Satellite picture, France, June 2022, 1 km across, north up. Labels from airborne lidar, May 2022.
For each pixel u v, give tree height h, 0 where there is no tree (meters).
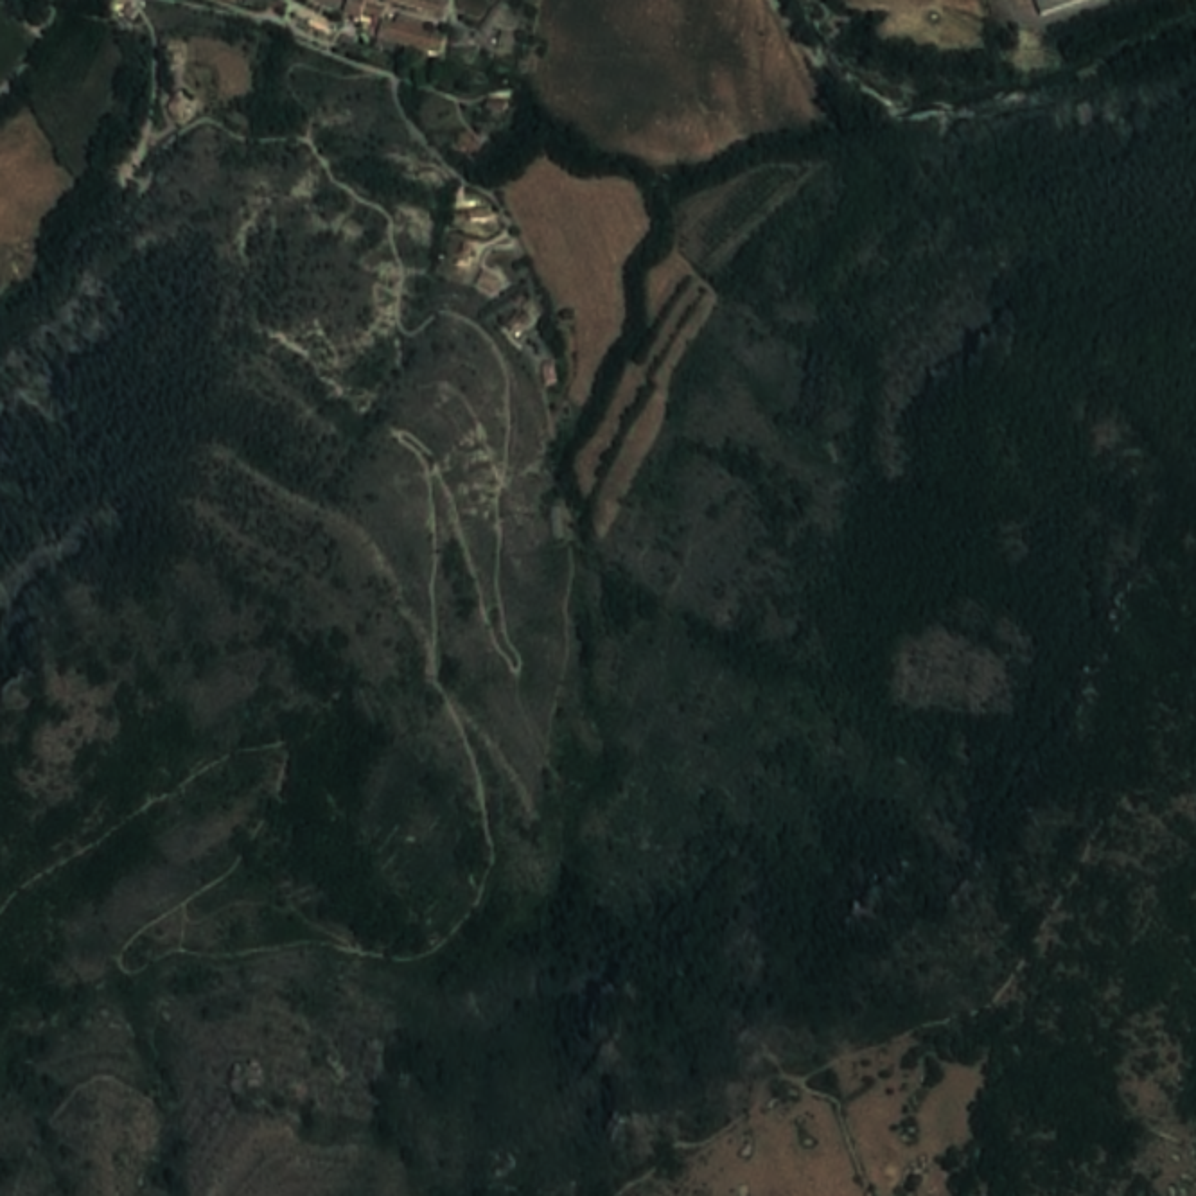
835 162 6
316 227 0
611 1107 8
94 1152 0
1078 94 6
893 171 8
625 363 12
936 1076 10
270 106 10
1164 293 11
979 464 9
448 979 15
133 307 11
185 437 10
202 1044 0
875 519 7
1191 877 8
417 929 10
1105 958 6
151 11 0
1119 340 8
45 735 0
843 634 6
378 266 0
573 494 8
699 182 11
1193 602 7
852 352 7
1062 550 10
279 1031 0
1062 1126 8
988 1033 7
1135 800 7
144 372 10
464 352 0
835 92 26
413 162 0
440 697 7
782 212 6
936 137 5
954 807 6
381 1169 0
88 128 0
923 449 11
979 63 24
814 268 8
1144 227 10
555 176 0
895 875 7
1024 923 8
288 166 7
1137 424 7
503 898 8
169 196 0
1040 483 6
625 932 7
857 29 7
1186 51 9
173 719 8
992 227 6
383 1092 8
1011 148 8
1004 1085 10
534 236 0
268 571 6
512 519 0
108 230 6
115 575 6
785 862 7
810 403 7
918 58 6
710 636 8
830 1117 0
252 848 10
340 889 12
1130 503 8
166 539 9
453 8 0
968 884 7
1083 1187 8
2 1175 8
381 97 9
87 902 5
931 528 11
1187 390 9
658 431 0
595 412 13
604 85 0
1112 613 10
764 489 10
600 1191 5
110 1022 0
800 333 6
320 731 8
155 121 6
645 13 0
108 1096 0
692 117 0
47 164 0
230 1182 0
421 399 0
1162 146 7
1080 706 7
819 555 7
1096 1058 7
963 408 9
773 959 7
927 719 7
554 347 11
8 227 0
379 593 6
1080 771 6
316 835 14
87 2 12
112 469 14
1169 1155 0
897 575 8
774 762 10
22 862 6
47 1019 8
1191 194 10
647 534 0
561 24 0
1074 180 7
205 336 11
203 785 7
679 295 6
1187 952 8
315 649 8
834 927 8
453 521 0
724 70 0
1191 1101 9
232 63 0
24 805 8
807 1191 0
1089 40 7
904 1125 10
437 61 10
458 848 7
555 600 0
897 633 9
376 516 0
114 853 10
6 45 0
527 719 0
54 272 19
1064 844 6
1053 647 9
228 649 6
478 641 0
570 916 13
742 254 9
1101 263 10
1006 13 0
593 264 0
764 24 0
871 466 7
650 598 9
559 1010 7
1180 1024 6
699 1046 7
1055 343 11
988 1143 9
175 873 0
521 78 7
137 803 7
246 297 6
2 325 16
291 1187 0
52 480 9
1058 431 5
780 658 6
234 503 7
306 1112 6
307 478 6
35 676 8
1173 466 7
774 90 0
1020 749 10
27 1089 7
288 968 0
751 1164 0
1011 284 8
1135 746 6
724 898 10
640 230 0
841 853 7
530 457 0
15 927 8
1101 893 7
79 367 9
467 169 15
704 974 10
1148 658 7
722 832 6
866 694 9
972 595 6
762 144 17
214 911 0
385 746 7
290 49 7
